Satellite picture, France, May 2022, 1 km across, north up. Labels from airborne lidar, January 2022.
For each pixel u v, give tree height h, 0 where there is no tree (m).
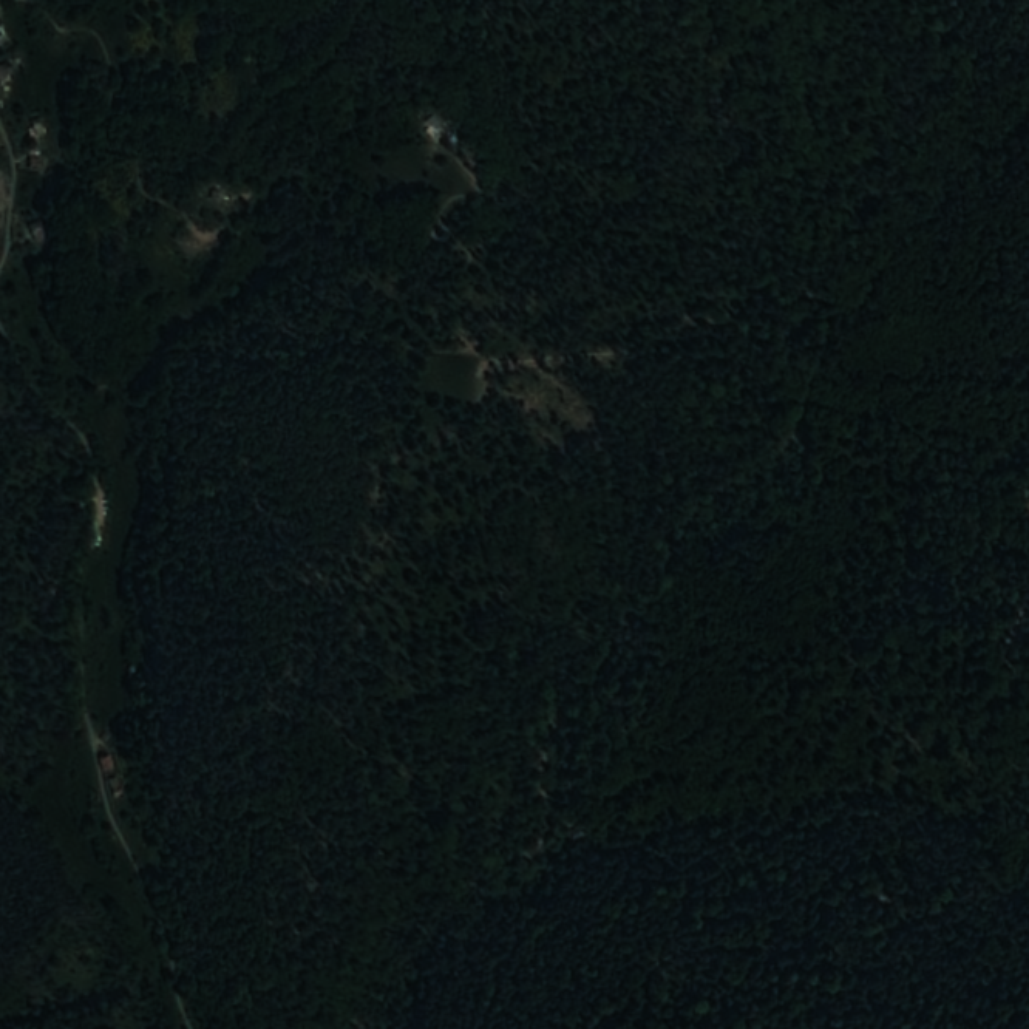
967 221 26
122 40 0
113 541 0
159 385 25
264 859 24
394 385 27
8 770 33
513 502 17
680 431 32
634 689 26
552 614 27
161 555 30
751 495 19
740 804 11
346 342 25
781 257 28
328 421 19
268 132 12
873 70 29
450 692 27
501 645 36
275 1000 26
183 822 16
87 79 7
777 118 32
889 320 17
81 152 18
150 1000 20
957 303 21
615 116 20
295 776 24
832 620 11
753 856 35
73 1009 23
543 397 33
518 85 12
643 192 19
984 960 31
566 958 32
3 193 0
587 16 26
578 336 40
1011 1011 25
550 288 41
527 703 40
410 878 32
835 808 27
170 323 0
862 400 23
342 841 25
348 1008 26
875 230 29
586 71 25
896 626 29
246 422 21
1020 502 26
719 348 36
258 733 24
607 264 34
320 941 28
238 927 23
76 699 22
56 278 25
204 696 32
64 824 0
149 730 24
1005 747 26
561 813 18
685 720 20
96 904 6
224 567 19
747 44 33
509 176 22
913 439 30
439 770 31
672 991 14
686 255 34
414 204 24
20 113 12
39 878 28
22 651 30
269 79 22
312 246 20
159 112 23
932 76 29
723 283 31
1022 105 12
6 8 16
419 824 34
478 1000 28
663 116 24
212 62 23
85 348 22
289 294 24
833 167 33
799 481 28
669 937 28
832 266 37
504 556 25
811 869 33
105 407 6
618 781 24
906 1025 28
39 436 23
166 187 7
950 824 34
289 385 23
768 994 33
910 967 38
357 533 21
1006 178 26
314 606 21
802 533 13
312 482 19
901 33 29
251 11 30
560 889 24
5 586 31
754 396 34
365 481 20
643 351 30
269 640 22
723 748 9
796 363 26
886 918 33
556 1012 27
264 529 21
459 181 0
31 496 11
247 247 6
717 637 22
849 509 17
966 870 29
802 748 27
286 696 23
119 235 21
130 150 14
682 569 15
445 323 19
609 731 15
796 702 25
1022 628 25
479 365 0
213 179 17
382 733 23
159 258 0
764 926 33
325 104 19
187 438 27
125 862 0
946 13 32
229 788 28
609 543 33
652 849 33
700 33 20
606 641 13
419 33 21
